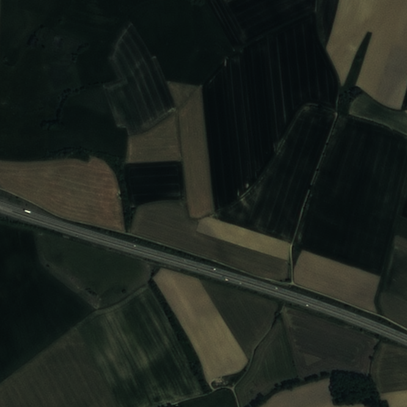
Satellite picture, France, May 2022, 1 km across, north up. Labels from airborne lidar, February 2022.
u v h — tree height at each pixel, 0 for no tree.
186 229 0
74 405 0
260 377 0
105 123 0
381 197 0
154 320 0
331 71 0
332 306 0
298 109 0
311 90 0
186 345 0
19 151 0
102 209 0
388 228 0
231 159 0
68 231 0
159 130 0
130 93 0
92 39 0
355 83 0
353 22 0
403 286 0
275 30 0
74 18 0
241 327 0
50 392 0
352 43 0
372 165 0
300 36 0
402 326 0
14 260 0
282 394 0
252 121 0
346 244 0
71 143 0
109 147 0
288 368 0
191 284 0
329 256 0
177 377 0
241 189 0
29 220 0
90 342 0
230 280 0
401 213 0
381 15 0
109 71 0
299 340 0
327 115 0
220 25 0
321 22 0
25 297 0
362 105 0
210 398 0
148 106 0
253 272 0
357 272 0
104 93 0
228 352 0
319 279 0
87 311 0
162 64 0
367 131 0
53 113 0
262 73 0
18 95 0
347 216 0
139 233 0
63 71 0
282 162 0
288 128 0
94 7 0
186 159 0
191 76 0
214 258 0
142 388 0
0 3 0
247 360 0
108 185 0
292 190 0
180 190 0
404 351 0
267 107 0
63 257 0
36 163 0
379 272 0
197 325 0
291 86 0
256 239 0
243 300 0
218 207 0
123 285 0
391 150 0
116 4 0
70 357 0
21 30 0
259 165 0
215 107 0
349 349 0
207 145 0
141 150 0
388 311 0
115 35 0
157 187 0
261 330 0
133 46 0
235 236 0
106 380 0
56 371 0
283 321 0
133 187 0
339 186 0
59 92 0
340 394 17
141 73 0
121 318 0
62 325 0
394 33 0
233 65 0
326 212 0
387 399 0
